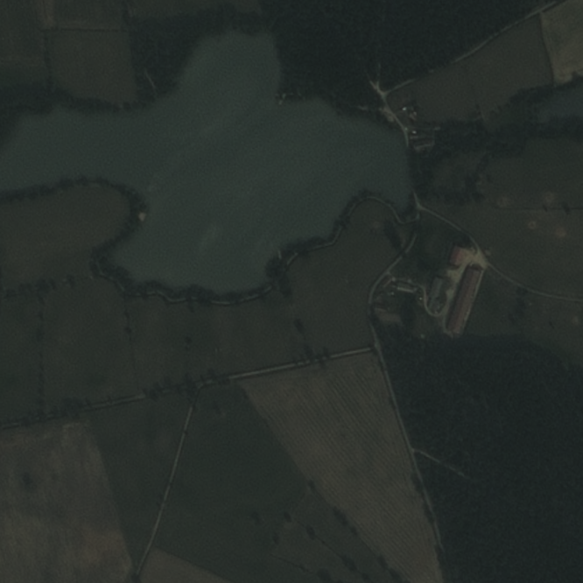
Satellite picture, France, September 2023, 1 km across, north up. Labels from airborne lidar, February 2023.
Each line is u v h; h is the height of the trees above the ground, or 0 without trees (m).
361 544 0
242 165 0
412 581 0
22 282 0
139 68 15
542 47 0
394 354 18
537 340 0
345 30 23
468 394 21
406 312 17
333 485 0
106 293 0
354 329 0
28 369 0
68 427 0
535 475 30
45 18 0
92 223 0
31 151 0
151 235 0
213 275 0
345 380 0
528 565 31
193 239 0
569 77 0
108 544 0
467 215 0
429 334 0
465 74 0
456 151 8
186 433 8
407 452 0
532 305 0
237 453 0
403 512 0
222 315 0
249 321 0
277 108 0
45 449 0
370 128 0
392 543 0
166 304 10
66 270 0
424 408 17
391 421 0
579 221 0
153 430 0
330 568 0
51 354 0
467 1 34
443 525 21
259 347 0
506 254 0
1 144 6
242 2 0
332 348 0
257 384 0
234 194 0
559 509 27
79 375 0
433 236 0
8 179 0
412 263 0
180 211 0
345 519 17
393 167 0
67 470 0
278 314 0
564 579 34
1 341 0
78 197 0
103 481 0
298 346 0
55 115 0
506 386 32
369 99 11
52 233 0
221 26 6
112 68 0
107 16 0
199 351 0
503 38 0
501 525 32
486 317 0
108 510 0
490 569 24
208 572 0
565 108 0
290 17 24
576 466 28
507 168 0
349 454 0
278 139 0
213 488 0
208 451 0
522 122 0
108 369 0
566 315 0
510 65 0
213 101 0
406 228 0
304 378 0
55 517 0
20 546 0
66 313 0
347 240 0
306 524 0
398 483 0
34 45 0
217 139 0
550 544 33
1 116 9
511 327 0
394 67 28
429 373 21
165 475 0
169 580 0
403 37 30
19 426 0
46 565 0
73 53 0
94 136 0
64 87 0
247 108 0
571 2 0
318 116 0
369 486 0
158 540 0
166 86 15
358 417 0
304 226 0
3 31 0
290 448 0
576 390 32
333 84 21
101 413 0
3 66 0
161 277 0
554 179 0
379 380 0
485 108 0
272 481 0
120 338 0
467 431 27
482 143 17
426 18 35
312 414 0
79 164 0
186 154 0
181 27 23
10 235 0
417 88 0
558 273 0
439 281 0
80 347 0
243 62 0
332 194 0
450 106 0
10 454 0
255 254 0
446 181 0
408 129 0
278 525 0
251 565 0
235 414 0
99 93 0
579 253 0
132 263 0
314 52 21
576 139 10
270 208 0
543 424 31
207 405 0
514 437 30
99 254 13
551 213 0
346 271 0
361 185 0
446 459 9
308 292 0
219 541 0
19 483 0
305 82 23
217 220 0
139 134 0
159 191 0
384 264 0
